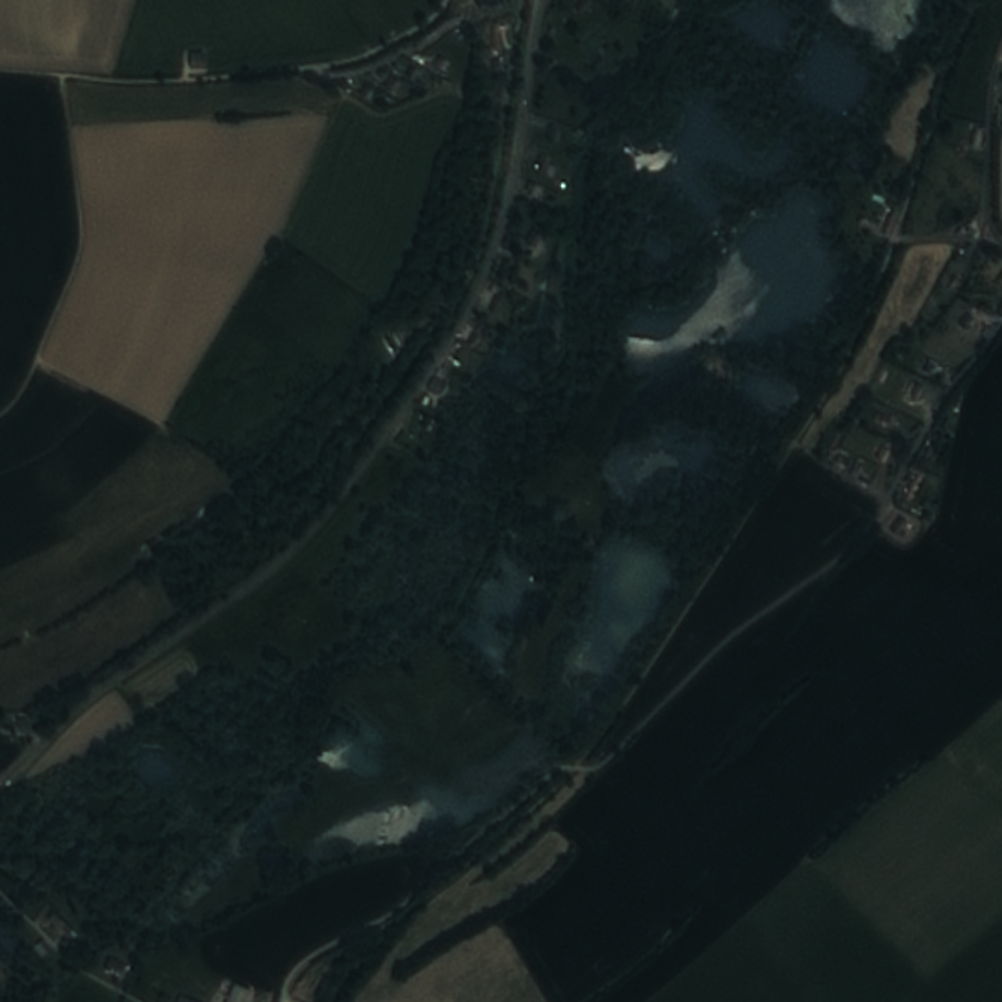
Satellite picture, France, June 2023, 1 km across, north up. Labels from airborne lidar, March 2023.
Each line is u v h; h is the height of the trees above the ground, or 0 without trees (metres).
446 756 0
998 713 0
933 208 0
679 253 15
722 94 8
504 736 0
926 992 0
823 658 0
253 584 0
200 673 6
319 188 0
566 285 7
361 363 6
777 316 0
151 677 0
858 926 0
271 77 8
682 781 0
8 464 0
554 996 0
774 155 0
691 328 0
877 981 0
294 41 0
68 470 0
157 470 0
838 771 0
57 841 18
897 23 0
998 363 0
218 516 22
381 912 0
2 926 15
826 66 0
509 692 15
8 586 0
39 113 0
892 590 0
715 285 0
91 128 0
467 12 0
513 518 8
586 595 16
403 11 0
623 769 0
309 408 10
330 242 0
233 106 0
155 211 0
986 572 0
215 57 0
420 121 0
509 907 8
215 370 0
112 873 26
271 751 6
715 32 8
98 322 0
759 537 0
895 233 0
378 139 0
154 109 0
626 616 0
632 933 0
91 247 0
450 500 10
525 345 0
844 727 0
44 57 0
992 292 0
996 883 0
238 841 0
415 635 23
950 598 0
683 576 27
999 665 0
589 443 0
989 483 0
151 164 0
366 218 0
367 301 0
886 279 13
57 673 0
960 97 0
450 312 12
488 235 10
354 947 12
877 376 0
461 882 0
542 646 0
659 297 13
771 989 0
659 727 0
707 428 14
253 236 0
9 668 0
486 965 0
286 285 0
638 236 8
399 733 0
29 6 0
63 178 0
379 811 0
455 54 0
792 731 0
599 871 0
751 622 0
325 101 0
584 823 0
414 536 21
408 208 0
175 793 8
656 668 0
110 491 0
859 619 0
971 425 0
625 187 9
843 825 11
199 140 0
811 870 0
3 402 0
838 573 0
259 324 0
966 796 0
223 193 0
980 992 0
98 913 14
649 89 6
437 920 0
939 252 0
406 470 0
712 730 0
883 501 0
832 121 16
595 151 17
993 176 6
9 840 9
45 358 0
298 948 0
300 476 16
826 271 0
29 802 11
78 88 0
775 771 0
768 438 31
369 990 0
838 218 10
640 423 24
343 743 0
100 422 0
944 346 0
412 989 0
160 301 0
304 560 0
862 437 0
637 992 0
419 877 0
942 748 0
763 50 10
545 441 10
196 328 0
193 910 0
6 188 0
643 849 0
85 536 0
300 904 0
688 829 0
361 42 0
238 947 0
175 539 8
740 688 0
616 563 0
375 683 0
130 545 0
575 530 12
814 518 0
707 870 0
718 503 32
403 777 0
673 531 16
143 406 0
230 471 13
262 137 0
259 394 0
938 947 0
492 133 13
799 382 29
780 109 17
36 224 0
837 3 0
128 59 0
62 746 0
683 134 0
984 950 0
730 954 0
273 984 0
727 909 0
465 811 0
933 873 0
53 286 0
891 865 0
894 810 0
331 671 25
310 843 0
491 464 25
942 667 0
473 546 30
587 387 5
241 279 0
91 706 0
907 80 8
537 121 0
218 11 0
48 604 0
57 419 0
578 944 0
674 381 30
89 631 0
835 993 0
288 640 0
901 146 0
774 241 0
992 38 0
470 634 0
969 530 0
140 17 0
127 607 0
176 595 22
